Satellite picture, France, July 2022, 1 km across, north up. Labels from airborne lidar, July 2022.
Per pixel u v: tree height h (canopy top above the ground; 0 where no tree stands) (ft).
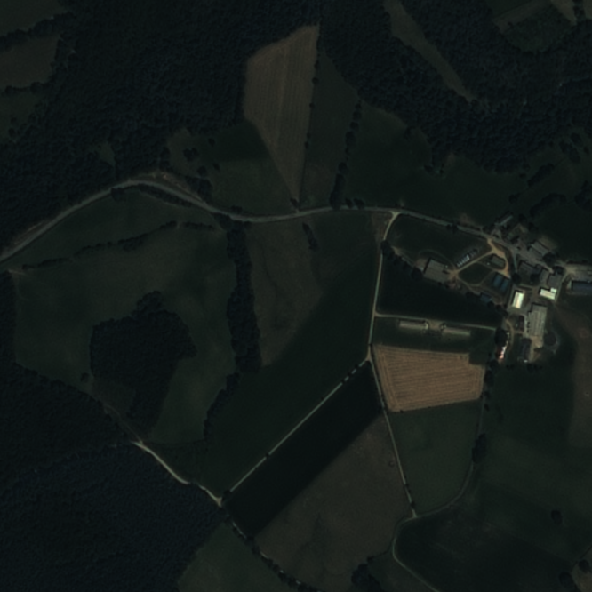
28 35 35
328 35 36
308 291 0
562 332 0
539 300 0
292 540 0
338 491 0
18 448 66
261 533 0
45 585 61
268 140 0
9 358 69
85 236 0
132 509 70
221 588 0
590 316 0
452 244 0
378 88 52
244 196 0
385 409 18
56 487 69
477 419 0
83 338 0
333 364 0
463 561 0
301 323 0
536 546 0
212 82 55
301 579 0
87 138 52
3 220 60
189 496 84
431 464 0
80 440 64
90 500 78
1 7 0
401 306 0
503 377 0
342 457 0
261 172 0
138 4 55
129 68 23
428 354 0
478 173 0
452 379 0
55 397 71
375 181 0
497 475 0
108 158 0
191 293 0
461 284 0
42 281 0
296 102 0
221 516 69
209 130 56
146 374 81
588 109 49
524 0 0
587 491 0
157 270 0
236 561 0
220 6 47
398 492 0
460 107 61
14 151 52
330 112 0
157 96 30
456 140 93
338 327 0
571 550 0
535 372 34
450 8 20
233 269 0
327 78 0
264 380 0
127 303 0
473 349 0
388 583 0
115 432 62
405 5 54
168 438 0
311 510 0
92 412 63
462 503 0
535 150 59
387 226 0
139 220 0
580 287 0
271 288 0
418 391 0
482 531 0
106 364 63
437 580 0
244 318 60
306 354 0
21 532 77
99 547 58
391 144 0
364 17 72
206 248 0
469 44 49
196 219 0
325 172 0
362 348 0
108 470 74
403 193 0
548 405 0
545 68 47
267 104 0
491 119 23
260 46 23
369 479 0
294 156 0
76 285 0
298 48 0
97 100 56
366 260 0
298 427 0
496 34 70
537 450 0
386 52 78
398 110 44
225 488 0
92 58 60
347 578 0
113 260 0
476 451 39
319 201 0
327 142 0
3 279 38
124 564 74
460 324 0
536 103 60
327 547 0
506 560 0
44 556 62
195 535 84
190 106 53
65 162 54
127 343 71
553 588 0
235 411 0
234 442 0
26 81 0
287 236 0
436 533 0
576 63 69
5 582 68
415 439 0
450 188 0
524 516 0
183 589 0
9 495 115
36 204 62
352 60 63
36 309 0
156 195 35
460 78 58
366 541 0
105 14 68
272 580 0
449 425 0
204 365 0
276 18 63
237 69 40
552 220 0
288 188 0
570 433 0
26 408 64
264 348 0
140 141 39
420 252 0
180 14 47
